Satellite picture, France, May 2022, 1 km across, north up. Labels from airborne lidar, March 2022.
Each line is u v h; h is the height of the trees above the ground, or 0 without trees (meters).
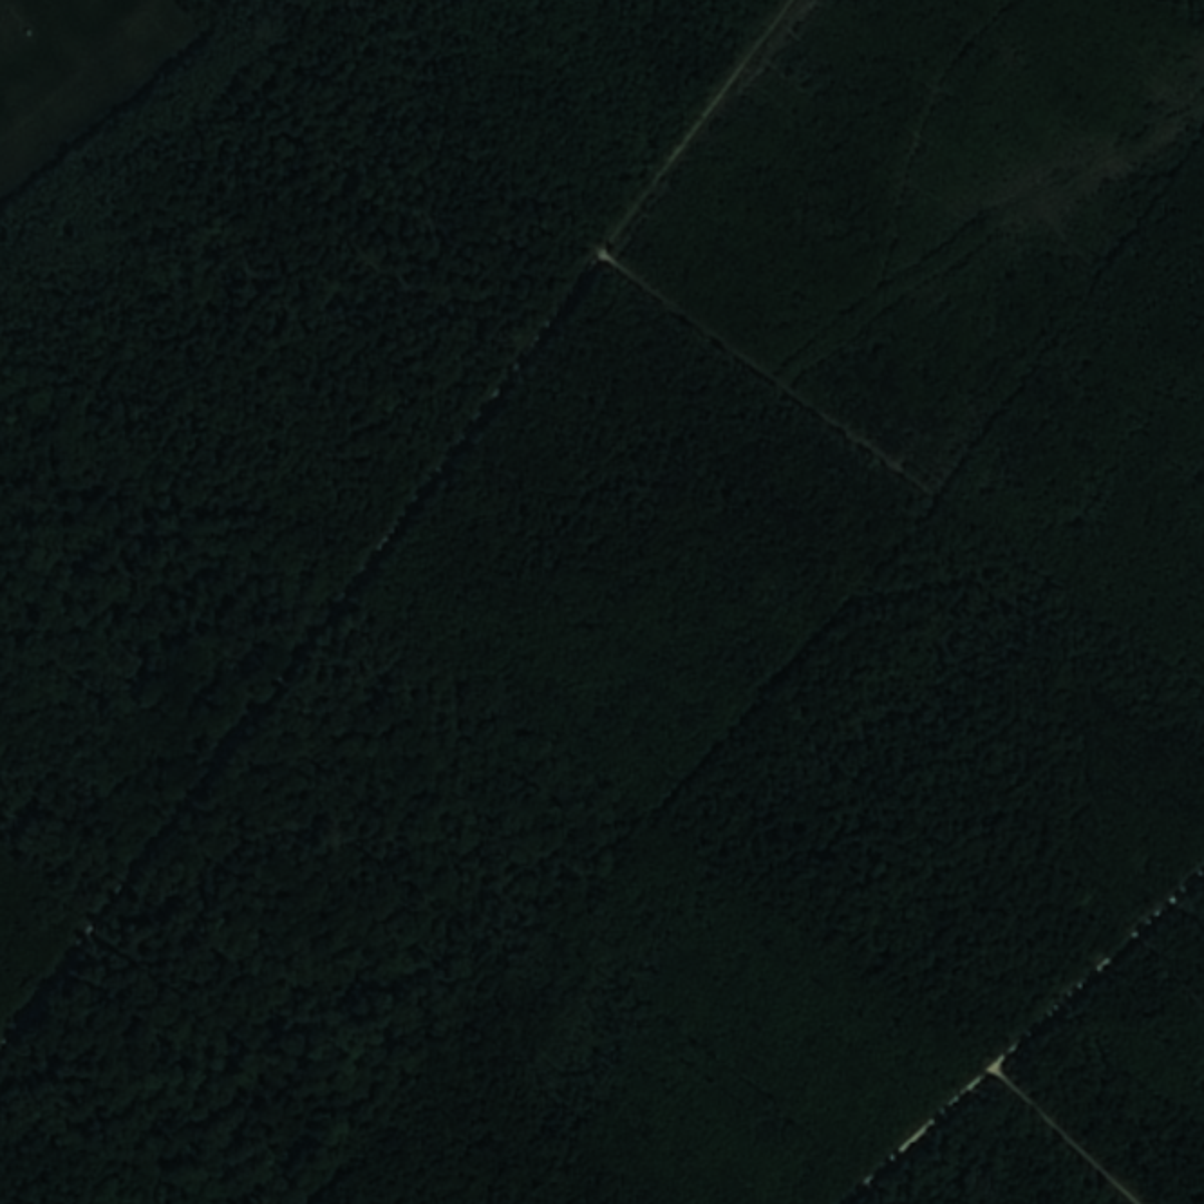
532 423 18
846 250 6
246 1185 28
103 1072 31
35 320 20
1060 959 18
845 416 8
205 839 29
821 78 8
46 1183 27
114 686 28
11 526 26
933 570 23
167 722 25
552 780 20
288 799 27
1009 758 18
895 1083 14
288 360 20
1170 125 0
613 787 21
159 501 31
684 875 14
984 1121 19
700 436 20
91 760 27
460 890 19
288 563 23
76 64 0
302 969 32
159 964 26
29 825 28
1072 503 9
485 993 18
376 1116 27
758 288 10
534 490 21
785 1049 15
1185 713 18
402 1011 33
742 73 0
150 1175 26
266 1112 31
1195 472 13
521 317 22
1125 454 10
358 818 20
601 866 24
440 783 28
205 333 22
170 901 11
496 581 17
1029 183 0
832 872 23
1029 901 21
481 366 20
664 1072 15
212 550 26
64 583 27
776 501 21
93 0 0
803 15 0
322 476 23
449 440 17
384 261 27
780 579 19
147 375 22
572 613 20
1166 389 8
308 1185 24
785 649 16
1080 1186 18
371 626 27
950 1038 13
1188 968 16
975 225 7
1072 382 11
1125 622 13
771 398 18
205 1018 30
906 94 11
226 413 23
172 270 26
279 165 20
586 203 19
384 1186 21
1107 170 0
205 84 21
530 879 24
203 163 22
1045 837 20
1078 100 6
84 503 29
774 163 7
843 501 21
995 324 6
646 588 18
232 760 26
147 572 31
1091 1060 17
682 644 14
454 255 24
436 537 19
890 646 25
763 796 24
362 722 27
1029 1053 19
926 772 23
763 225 7
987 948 22
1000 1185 23
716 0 19
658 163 9
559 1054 21
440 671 23
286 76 21
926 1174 23
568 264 21
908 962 22
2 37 0
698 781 20
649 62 19
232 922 29
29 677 27
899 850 23
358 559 16
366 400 24
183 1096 30
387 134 24
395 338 21
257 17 21
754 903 14
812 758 24
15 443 28
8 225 17
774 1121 14
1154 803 9
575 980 14
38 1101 32
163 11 0
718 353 21
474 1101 25
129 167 20
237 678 29
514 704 17
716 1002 17
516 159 19
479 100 18
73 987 31
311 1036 33
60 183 15
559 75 19
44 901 17
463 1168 24
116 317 13
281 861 30
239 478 24
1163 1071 18
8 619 24
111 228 20
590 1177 18
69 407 27
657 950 14
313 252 26
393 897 26
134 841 26
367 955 31
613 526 23
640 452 19
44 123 0
